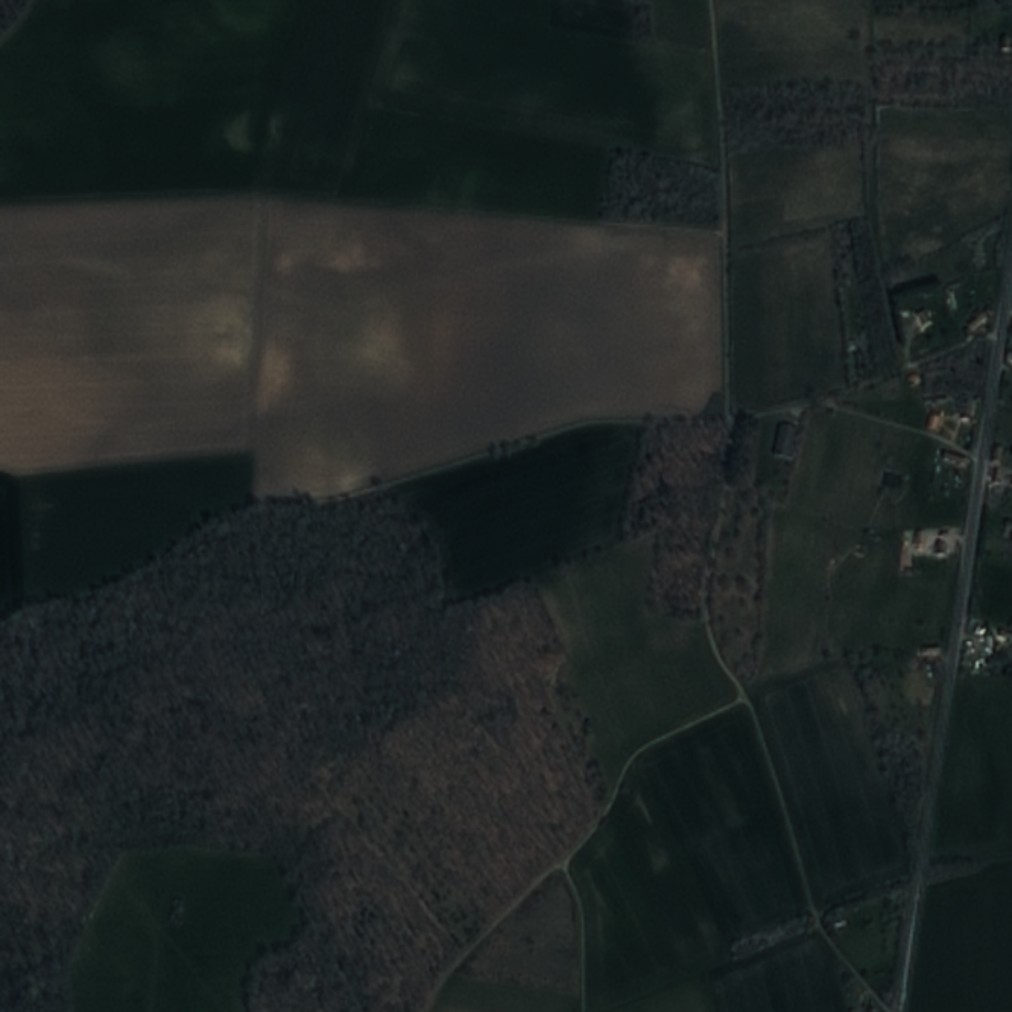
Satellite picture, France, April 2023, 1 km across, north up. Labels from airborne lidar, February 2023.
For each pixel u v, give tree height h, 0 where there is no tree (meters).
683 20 0
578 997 0
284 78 0
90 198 0
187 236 0
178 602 14
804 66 0
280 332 0
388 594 22
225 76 0
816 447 0
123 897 0
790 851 0
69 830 22
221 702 21
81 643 18
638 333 0
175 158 0
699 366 0
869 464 0
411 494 0
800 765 0
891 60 12
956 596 0
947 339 9
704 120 0
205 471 0
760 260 0
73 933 20
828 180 0
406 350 0
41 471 0
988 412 0
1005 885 0
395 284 0
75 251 0
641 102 0
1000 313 0
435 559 19
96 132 0
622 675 0
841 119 14
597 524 0
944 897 0
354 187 0
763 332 0
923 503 0
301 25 0
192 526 0
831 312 0
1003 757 0
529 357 0
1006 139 0
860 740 0
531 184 0
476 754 12
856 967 0
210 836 19
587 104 0
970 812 0
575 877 0
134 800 23
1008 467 0
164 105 0
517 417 0
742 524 13
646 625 0
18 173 0
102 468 0
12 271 0
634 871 0
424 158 0
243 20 0
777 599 0
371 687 13
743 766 0
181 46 0
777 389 0
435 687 12
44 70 0
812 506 0
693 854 0
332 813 8
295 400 0
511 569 0
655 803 0
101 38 0
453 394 0
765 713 0
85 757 27
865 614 0
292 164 0
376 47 0
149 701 27
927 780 0
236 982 0
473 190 0
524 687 12
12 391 0
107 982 0
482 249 0
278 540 12
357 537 21
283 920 0
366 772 9
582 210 0
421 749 12
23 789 21
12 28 10
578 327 0
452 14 0
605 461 0
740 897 0
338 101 0
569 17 0
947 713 0
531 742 14
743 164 0
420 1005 15
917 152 0
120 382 0
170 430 0
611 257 0
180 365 0
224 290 0
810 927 11
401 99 0
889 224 0
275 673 18
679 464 13
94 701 25
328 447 0
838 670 0
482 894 9
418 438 0
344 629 20
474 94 0
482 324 0
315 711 14
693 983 0
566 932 0
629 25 0
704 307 0
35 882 17
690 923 0
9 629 17
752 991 0
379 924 16
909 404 0
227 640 24
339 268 0
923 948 0
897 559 0
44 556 0
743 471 20
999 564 0
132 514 0
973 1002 0
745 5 0
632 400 0
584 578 0
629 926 0
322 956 19
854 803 0
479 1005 0
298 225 0
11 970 20
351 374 0
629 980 0
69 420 0
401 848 12
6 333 0
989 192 0
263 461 0
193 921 0
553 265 0
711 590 11
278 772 19
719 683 0
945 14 11
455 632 13
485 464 0
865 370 6
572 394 0
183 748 23
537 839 16
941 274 0
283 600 24
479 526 0
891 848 0
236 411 0
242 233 0
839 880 0
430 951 7
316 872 10
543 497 0
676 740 0
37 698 20
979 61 16
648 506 7
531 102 0
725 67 0
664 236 0
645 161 8
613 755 0
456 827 14
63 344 0
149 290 0
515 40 0
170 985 0
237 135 0
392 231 0
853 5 0
